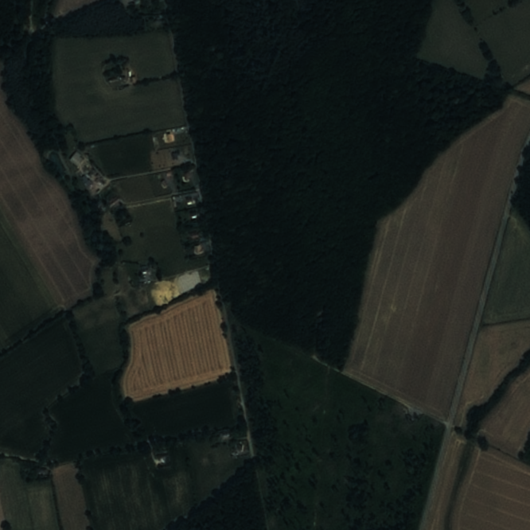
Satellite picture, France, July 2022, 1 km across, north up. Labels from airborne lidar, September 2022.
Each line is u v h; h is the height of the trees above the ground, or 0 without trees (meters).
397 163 23
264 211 21
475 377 0
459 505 0
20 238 0
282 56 15
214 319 0
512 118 0
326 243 20
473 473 0
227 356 0
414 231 0
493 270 0
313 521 0
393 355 0
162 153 0
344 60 20
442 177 0
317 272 18
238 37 15
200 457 0
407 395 0
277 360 0
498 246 0
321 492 0
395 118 26
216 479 0
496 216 0
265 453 25
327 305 13
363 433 21
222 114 19
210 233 11
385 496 0
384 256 0
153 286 0
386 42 19
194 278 0
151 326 0
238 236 25
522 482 0
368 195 18
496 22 0
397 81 27
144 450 22
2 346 0
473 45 0
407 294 0
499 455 0
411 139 26
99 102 0
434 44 0
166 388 0
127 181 0
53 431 11
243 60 26
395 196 23
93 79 0
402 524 23
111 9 19
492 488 0
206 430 19
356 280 18
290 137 20
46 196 0
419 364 0
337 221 19
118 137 9
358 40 19
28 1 18
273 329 22
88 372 14
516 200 17
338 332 21
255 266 25
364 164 24
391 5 20
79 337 12
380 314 0
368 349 0
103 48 0
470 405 0
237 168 22
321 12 16
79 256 0
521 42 0
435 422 0
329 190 18
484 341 0
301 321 21
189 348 0
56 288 0
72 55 0
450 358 0
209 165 21
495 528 0
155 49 0
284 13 10
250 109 21
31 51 24
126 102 0
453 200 0
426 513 0
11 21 13
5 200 0
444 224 0
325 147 24
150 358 0
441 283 0
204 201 12
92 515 14
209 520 23
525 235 0
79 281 0
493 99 12
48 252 0
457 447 0
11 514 0
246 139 22
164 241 0
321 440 0
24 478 6
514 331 0
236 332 21
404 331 0
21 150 0
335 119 22
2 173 0
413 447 0
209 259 12
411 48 24
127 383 0
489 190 0
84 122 0
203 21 23
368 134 23
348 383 0
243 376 23
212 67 9
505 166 0
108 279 0
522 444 0
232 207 15
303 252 18
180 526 20
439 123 17
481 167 0
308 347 21
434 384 0
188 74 20
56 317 10
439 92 28
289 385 0
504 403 0
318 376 0
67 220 0
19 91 17
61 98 0
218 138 20
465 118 19
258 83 13
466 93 24
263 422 25
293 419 0
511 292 0
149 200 0
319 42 24
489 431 0
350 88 19
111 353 0
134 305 0
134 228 0
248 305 20
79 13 14
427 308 0
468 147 0
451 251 0
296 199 22
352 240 18
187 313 0
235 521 18
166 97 0
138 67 0
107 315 0
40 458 18
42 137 18
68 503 0
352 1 19
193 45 22
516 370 10
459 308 0
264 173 23
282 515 16
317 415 0
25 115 17
